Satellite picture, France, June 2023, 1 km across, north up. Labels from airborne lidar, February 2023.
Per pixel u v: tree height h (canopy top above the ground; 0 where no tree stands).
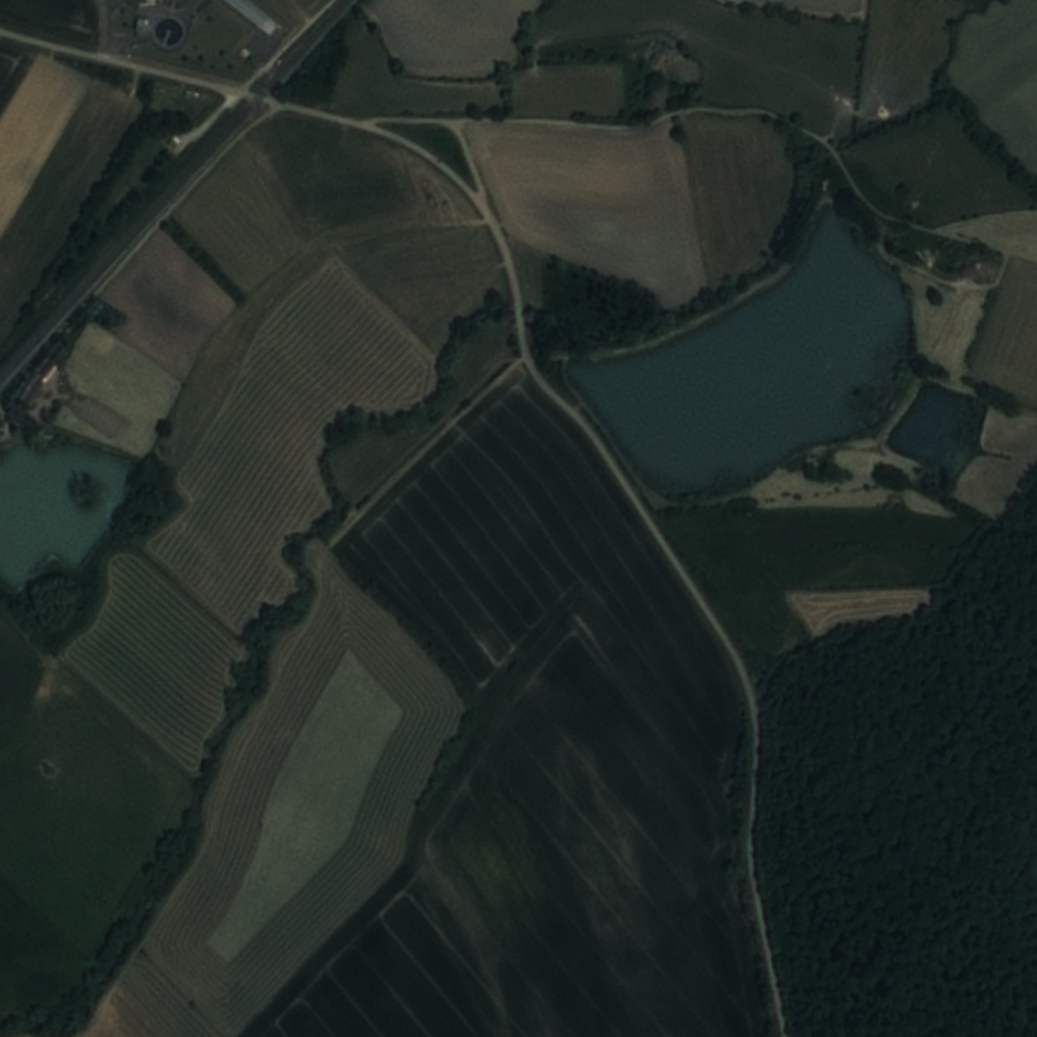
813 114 0
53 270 7
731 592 0
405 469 0
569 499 0
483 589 0
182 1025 0
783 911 15
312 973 0
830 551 0
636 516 0
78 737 0
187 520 0
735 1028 0
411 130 0
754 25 0
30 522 0
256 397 0
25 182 0
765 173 0
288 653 0
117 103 0
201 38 0
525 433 0
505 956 0
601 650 0
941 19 0
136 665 0
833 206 0
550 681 0
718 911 0
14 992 0
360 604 0
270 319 0
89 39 0
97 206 14
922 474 14
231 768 0
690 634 0
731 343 0
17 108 0
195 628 0
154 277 0
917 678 24
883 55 0
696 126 0
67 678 0
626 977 0
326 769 0
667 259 0
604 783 0
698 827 0
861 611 0
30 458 0
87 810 0
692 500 7
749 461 0
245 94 0
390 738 0
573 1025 0
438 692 0
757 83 0
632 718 0
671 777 0
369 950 0
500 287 0
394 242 0
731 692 0
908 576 0
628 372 0
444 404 17
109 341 0
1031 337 0
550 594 0
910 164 0
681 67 0
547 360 12
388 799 0
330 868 0
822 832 26
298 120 0
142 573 0
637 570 0
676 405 0
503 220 0
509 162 0
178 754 0
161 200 0
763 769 13
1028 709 24
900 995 29
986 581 25
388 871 0
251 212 0
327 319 0
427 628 0
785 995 9
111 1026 0
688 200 0
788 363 0
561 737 0
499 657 0
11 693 0
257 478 0
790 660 6
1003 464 0
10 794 0
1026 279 0
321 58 7
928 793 26
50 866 0
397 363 0
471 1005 0
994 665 22
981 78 0
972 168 0
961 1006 22
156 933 0
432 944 0
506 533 0
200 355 0
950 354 0
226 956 0
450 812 0
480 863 0
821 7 0
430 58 0
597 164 0
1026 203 0
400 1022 0
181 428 0
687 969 0
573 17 0
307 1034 0
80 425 0
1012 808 25
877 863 28
